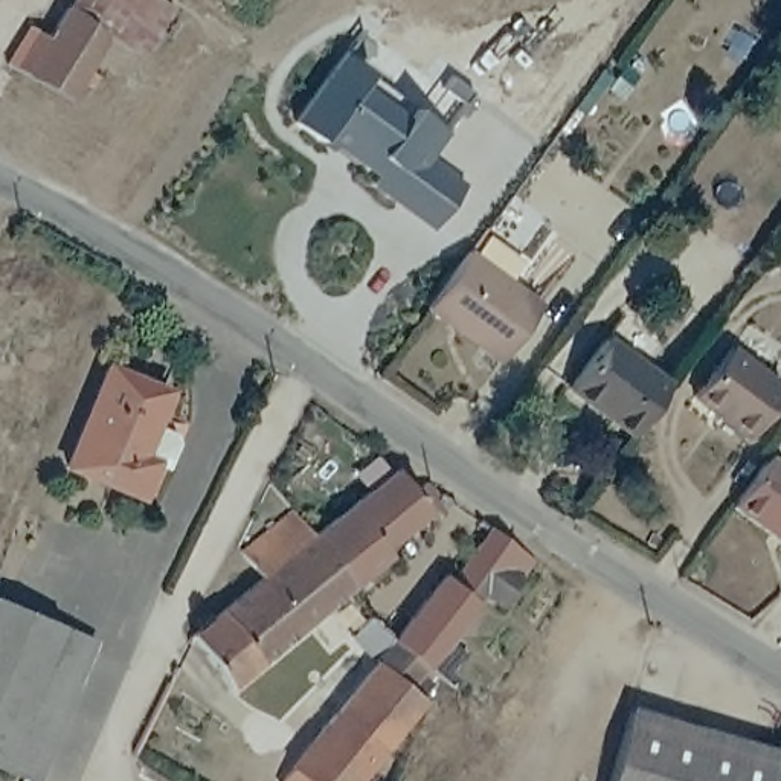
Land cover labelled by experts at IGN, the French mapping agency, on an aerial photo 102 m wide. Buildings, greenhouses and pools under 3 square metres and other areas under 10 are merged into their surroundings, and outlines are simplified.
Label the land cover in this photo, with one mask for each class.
<instances>
[{"label":"herbaceous vegetation","instance_id":"1","mask_svg":"<svg viewBox=\"0 0 781 781\"><path fill-rule=\"evenodd\" d=\"M558 3L567 0H278L275 15L262 27H253L235 21L226 9L207 6L204 0H168L165 6L171 18L165 21V40L156 58H149L146 52L128 58L116 73L104 79H82L70 88L64 101L34 88V82H24L21 76L9 79L0 95V149H6L12 159L24 165L40 168L52 180L79 189L85 198L104 204L122 220L143 226V214L153 207L162 186L186 168L192 153L207 156L214 143L232 140V128L226 122H217V110L226 101L229 82L235 76L256 79L259 73H265L268 79L284 52H290L302 37L345 15L354 6H378L391 18L412 15L418 24L430 21L445 31H470L488 21L506 24L509 12H537L540 18L555 15ZM732 31L757 40V46L741 64H735L723 49ZM781 37V0H671L641 40L635 67L638 82H632V98H625L622 104L613 92L598 98L589 110H580L583 125L570 134L561 146L564 156L570 159L574 171L589 174L595 183H601V189L610 192L613 183H625L628 192H635L644 183V168L668 171L677 162L680 149L665 143L662 137V110L674 101H686L696 116L720 113L723 104L741 95H760V79L754 76V70L772 67L778 61ZM366 34L351 27L333 37L320 58L305 55L296 61L284 85L281 116L287 125L299 122L296 116L314 98L326 73L339 64L348 46H354ZM580 46L574 34H561L558 27H552L543 46L534 52V58L543 67H558L567 49ZM693 180L711 217L708 229L714 238L735 244L741 256L747 262H757L772 232L781 226V128L760 134L747 125L744 116L729 119V128L696 165ZM305 201V195H299L284 174L268 177L265 168H256L253 174L250 168H241L232 156L220 159L217 168L198 171L195 192L180 195V211H171V220L195 238L198 250L217 256L214 275L226 284L244 278L247 284H262L278 272V223ZM31 214L15 211L12 198L0 195V567L6 564L12 543H31L34 534L43 531L52 543L61 531L58 522L64 516L67 506H76L82 500H104L107 491L95 482H85V488L70 491L61 500L52 497L43 482L64 476L67 470L73 464V452L79 445V436L85 430V421L92 415V406L101 394L107 372L104 363H92V351L104 348L116 336V329H128L122 317L125 305L113 290L92 284L85 272L55 265L49 275H43L34 262L15 256L12 235H18ZM781 342V302L754 314V326ZM506 336L497 339L491 351L476 348V342L464 336L445 342V326L433 317L430 326L412 339V348L400 360V369L409 378L418 369H424L439 384L464 381L470 387H494V378L503 375V369L516 360L503 348ZM128 369L159 378L165 384V394H180L168 427L177 430L180 424H186L189 430L198 421L201 378L192 372L189 384L177 387L159 363L131 360ZM360 430L336 415L311 418L299 452L302 470L293 479L275 485L268 476L262 479L250 503V513L244 516L232 546L226 549V558L214 577L217 592H195L189 598L186 635H201L226 607H232L259 583V574L250 570L253 561L247 549L272 531V525L302 513V519L314 528L333 494H339L351 482H360L363 470L357 467V458L369 452V445L354 439ZM741 461V448L732 452L723 439L702 442L699 455L686 467L689 482L702 494H711L717 482H723V476L732 479ZM595 503L616 525L635 531L638 537L674 525V513L668 509L659 519L641 522L628 513V506L613 488H604ZM683 580L708 592L711 598L723 601L741 616H760L781 598V537L775 534L766 540V534L757 525L744 522L735 509L723 519V525L699 552L693 570ZM534 546L531 570L540 574V583L522 586L509 598H497L494 607L482 616L479 635L464 641L467 662L458 668L464 674L458 680V689H452L445 699L439 696L436 708L424 711V717L400 744V750L409 757L403 781H500L513 763L506 760V750L497 744L500 711L509 699L522 705H537L552 699V677L558 671L549 665V632L564 601L583 598L586 583L583 574L574 570L564 558L546 552L537 540H528ZM333 665L326 650L314 641L299 647L290 659H284L244 693V699L253 708L281 717L293 702H299L308 693L311 671H326ZM153 732H159V747L211 781H281L278 766L284 754H256L235 723H229L217 711H207L201 717L192 714V708L180 696L171 699V705L162 702L149 723Z\"/></svg>","mask_w":781,"mask_h":781},{"label":"impervious surface","instance_id":"2","mask_svg":"<svg viewBox=\"0 0 781 781\"><path fill-rule=\"evenodd\" d=\"M418 24L412 15L391 18L378 6H354L345 15L302 37L290 52H284L268 79L265 119L272 131L281 140H287L299 156L314 162V183L305 195V201L278 223V272L284 281V293L299 311L296 317H278V323L272 326L262 314L244 308L232 296L183 268L177 259L159 253L153 244L95 217L88 207L0 168V195L12 198L15 211L31 214L55 223L79 241H88L101 253L119 256L122 268L137 281L162 284L168 305L183 317L189 329H201V336L211 345L207 363L214 375L201 378L198 421L189 430L180 464L177 470H168L153 503L165 516V525L159 531L131 528L128 534H119L113 519L101 522L98 528H88L79 519L64 516L58 522L61 531L52 543L43 531L34 534L31 543H12L6 564L0 567V601L21 604L73 632L95 635L98 641H104L101 665L73 714V726L58 754L61 781H82L104 720L137 650L146 616L162 592L165 570L235 433L232 406L241 391V375L247 363L262 360L265 366H275V381L299 378L308 384L311 400L326 403L336 415L360 430H378L387 439L391 452L406 455L418 476H430L424 497H433L436 509L445 516L430 546H418L415 555L397 549V561L378 574L369 592L357 595V607L329 613L323 622L314 625V641L326 650L333 665L326 671H311L308 693L299 702H293L281 717L296 732L284 754L278 766L281 781H287L296 772L302 754L342 711L354 689L366 680V674L384 665L381 653L363 656L354 628L360 625V619H375L387 625L394 635H400L430 601V595L442 586V580H458L467 561H476V543H485L491 534H503L506 540H513L519 534L522 540H537L546 552L564 558L574 570L583 574L586 583H598L613 595L625 598L628 604H638L644 610V628H674L677 635L693 638L705 650L723 656L729 665L750 674L754 683L781 693V656L763 647L760 641L741 635L738 628L726 625L723 619L711 616L708 610L665 592L662 583H644L638 570L625 567L613 555L589 552V543H598L604 534L586 519L555 513L540 497V482L549 473L564 476L570 482H577L580 476L577 464L558 461H534L528 470L513 473L485 452V445L494 442L497 424L516 409L519 400L534 394L537 384L552 391L555 400L567 397V403L592 412L595 400L580 397L574 391V381L586 372L592 357L616 329L635 348L656 354L662 369L674 375L680 360L708 329V323L720 314V308L711 305V299L732 278L741 256L735 244L714 238L708 229L693 232L686 250L677 256L674 265L647 253L635 262L632 272L619 268L610 278V284L589 308V326L574 342H561V348L543 372H537L528 360H516L503 369V375L494 378V387H470L461 400H452L448 409L433 412L394 381L381 378L375 369L363 366L369 320L397 284H403L415 268L436 259L445 247L458 244L479 226V220L488 214V207L497 201L503 186L516 177L519 165L540 140L528 134L516 119H509L503 110L476 95L473 116L455 122L452 140L442 149V159L461 168L467 180V195L458 214L436 229L400 204L391 211L378 207L351 177L348 165V156L333 149V140L326 134L299 122L287 125L281 116L284 85L296 61L305 55L320 58L333 37L351 27L366 34V58L378 73L397 79L406 116H418V110L427 101H433V107L445 113L455 104V92H448L445 85L455 79L458 70L439 55L430 67H424L415 58L403 70V58L391 46L406 27ZM333 214L354 217L372 238V259L366 262L357 287L345 296H326L308 278L305 268L311 229L317 220ZM677 275L689 290V305L680 311V317L650 333L638 311L653 299L656 287L671 284ZM696 131V116L686 101H674L662 110V137L665 143L680 149ZM628 207L622 204V198L610 192L601 189V183H595L589 174L574 171L570 159L564 156L540 162L537 174L528 183V195L509 201V207L491 229V241L482 250L485 259L503 268L509 278H528L534 284L543 281V299L549 302L561 290L577 293L592 278L598 262L607 256V250L622 238L616 217ZM741 342L750 345L760 357L772 360L781 378V342L754 326L741 336Z\"/></svg>","mask_w":781,"mask_h":781},{"label":"building","instance_id":"3","mask_svg":"<svg viewBox=\"0 0 781 781\"><path fill-rule=\"evenodd\" d=\"M168 0H76L52 34L40 31V15L24 18L3 52V70L9 79L21 76L24 82H34V88L64 101L70 88L82 79H104L116 73L128 58L146 52L149 58H156L165 40V21L171 18L165 6ZM757 46V40L732 31L723 49L735 64H741ZM448 92H455V104L445 113L433 107V101H427L418 110V116H406L397 79L378 73L366 58V34L354 46H348L339 64L326 73L314 98L296 116L299 122L326 134L333 140V149L348 156V165H366L372 171V180H378L391 195H397L400 204L436 229L458 214L467 195V180L461 168L442 159V149L452 140L455 122L473 116L476 95L473 79L458 70L455 79L445 85ZM632 82H638L635 67H613L610 55L595 64L589 79L564 104L555 122L564 125V134H570L583 125L580 110H589L598 98L613 92L622 104L625 98H632ZM543 281L534 284L528 278H509L503 268L485 259L482 250H473L461 262L452 284L436 299L430 311L433 317L445 326V342L464 336L476 342V348L491 351L497 339L506 336L503 348L516 360H528L552 326L549 302L543 299ZM680 384L674 381V375L662 369L656 354L635 348L616 329L592 357L586 372L574 381V391L580 397L595 400L592 412L604 418L610 430H619V442L632 436L638 427H653L668 412L671 397ZM696 412L708 415V421L723 418V424L735 430V442L741 448L757 442L760 448H766V455L775 452V461L763 467L757 485L735 506V509L744 522L757 525L766 534V540L775 534L781 537V378L772 360L760 357L750 345L741 342L735 345V354L726 360L723 378L705 384L696 400ZM180 394H165V384L159 378L128 369L107 372L101 394L92 406V415L85 421V430L79 436V445L73 452V464L67 470L82 476L85 482H95L107 491H122L128 497L153 503L168 470H177L180 464L189 430L186 424H180L177 430L168 427ZM360 482L366 485V497L354 503L345 516H339L326 531L314 528L302 519V513L272 525V531L247 549L253 561L250 570L259 574V583L232 607H226L201 635H195L192 653L201 662H207L214 674H223L226 683L238 677V686L244 693L284 659H290L299 647L314 641V625L323 622L329 613L357 607V595L369 592L378 574L397 561V549L415 555L418 546H430L445 516L436 509L433 497H424L430 476H418L406 455L391 452L387 461H375L363 470ZM534 546L528 540H522L519 534L513 540H506L503 534H491L485 543H476V561H467L458 580H442V586L430 595V601L400 635H394L387 625L375 619H360V625L354 628L363 656L381 653L384 665L366 674V680L354 689L342 711L302 754L296 772L287 781H403L409 757L400 750V744L424 717V711L436 708L439 696L445 699L452 689H458V680L464 674L458 668L467 662L464 641L479 635L482 616L494 607L497 598H509L522 586L540 583V574L531 570ZM104 641H98L95 635L73 632L21 604L0 601V781H61L58 754L73 726V714L101 665ZM619 781H781V747L735 738L653 711H638L625 738Z\"/></svg>","mask_w":781,"mask_h":781},{"label":"pervious surface","instance_id":"4","mask_svg":"<svg viewBox=\"0 0 781 781\"><path fill-rule=\"evenodd\" d=\"M52 0H0V95L9 79L3 70V52L24 18L40 15H46ZM647 6V0H567L558 3L555 15L540 18L537 12H509L506 24L488 21L470 31H445L430 21L406 27L391 46L403 58V70L415 58L424 67H430L439 55L458 70L473 79L476 95L503 110L509 119H516L528 134L540 140L543 134H549L564 104L589 79L595 64L610 55L625 27ZM552 27H558L561 34H574L580 46L567 49L558 67H543L534 58V52L543 46ZM0 168L88 207L95 217L153 244L159 253L177 259L183 268L232 296L226 284L214 275L195 268L189 259L180 256V250L153 241L143 226L122 220L104 204L85 198L79 189L52 180L40 168L24 165L12 159L6 149H0ZM781 302V265L766 272L738 299L726 320L729 336L696 369L693 384H680L671 397L668 412L653 427H638L632 436L638 442V455L650 467V476L659 482L668 509L674 513V525L677 540L659 561L604 534L598 543H589V552L613 555L625 567L638 570L644 583H662L665 592L708 610L711 616L723 619L726 625L738 628L741 635L760 641L763 647L781 656V598L760 616H741L723 601L711 598L708 592L683 580L677 567L696 543L699 531L705 528V522L711 519V513L720 506L723 497H729L735 506L757 485L763 467L775 461V452L766 455V448H760L757 442L741 448L735 442V430L723 424V418L708 421V415L696 412V400L705 384L723 378L726 360L735 354V345L741 342V336L754 326V314ZM723 439L732 452L741 448V461L732 479L723 476V482H717L711 494H702L689 482L686 467L699 455L702 442ZM311 400L308 384L299 378L275 381L265 409L259 412V424L244 439V448L226 476V485L177 577V586L171 592H162L146 616L137 650L104 720L82 781H131V772L140 766L143 750L159 747V732H153L149 723L162 702L171 705V699L180 696L192 708V714L201 717L207 711H217L229 723H235L256 754H284L296 732L281 717L253 708L244 699V693L238 686V677L226 683L223 674H214L207 662H201L192 653L195 635H186L189 598L195 592H217L214 577L226 558V549L232 546L244 516L250 513V503L262 479L268 476V464L284 448L302 406ZM644 610L638 604H628L625 598L613 595L598 583H586L583 598L564 601L549 632V665L558 671L552 677V699L537 705H522L509 699L500 711L497 744L506 750V760L513 763L500 781H619L625 738L638 711H653L735 738L781 747V693L754 683L750 674L729 665L723 656L705 650L693 638L677 635L674 628H644Z\"/></svg>","mask_w":781,"mask_h":781},{"label":"brushwood","instance_id":"5","mask_svg":"<svg viewBox=\"0 0 781 781\"><path fill-rule=\"evenodd\" d=\"M671 0H647V6L625 27L610 55L613 67H635L641 40ZM268 79L265 73H259L256 79L235 76L229 82L226 101L217 110V122H226L232 128V140L214 143L207 156L192 153L186 168L162 186L153 207L143 214V226L153 241L180 250V256L189 259L195 268L214 275L217 256L198 250L195 238L171 220V211H180V195L195 192L198 171L217 168L220 159L232 156L241 168H250L253 174L256 168H265L268 177L284 174L299 195H305L314 183V162L299 156L287 140H281L272 131L265 119ZM744 116L741 95L723 104L720 113L696 116V131L680 149L677 162L668 171L644 168V183L635 192H628L625 183H613L610 192L622 198V204L628 207L616 217L622 238L607 250V256L598 262L592 278L577 293L561 290L549 302L552 326L528 360L537 372H543L561 348V342H574L589 326V308L610 284V278L619 268L632 272L635 262L647 253V244L638 235L653 229L659 217H711L693 180L696 165L729 128V119ZM570 134H564V125L555 122L549 134H543L540 140L519 165L516 177L503 186L497 201L488 207V214L479 220V226L458 244L445 247L436 259L415 268L403 284H397L369 320L363 366L375 369L381 378L394 381L433 412L448 409L452 400H461L470 387L464 381L439 384L424 369H418L409 378L400 369V360L412 348V339L430 326L433 317L430 311L436 299L452 284L461 262L473 250H482L491 241V229L509 207V201L528 195V183L537 174L540 162L564 156L561 146ZM351 177L378 207L391 211L400 204L397 195H391L378 180H372V171L366 165H348ZM372 259V238L354 217L333 214L317 220L311 229L305 268L308 278L326 296H345L357 287L366 262ZM781 265V226L772 232L757 262H747L741 256L732 278L711 299V305L720 308V314L708 323V329L680 360L674 375V381L680 384H693L696 369L729 336L726 320L738 299L766 272ZM232 296L244 308L262 314L272 326L278 323V317H296L299 311L284 293V281L278 272L262 284H247L244 278L226 284ZM336 415L326 403L311 400L302 406L284 448L268 464V476L275 485L293 479L302 470L299 452L311 418ZM354 439L369 445V452L357 458V467L363 470L375 461H387L391 452L387 439L378 430H360ZM244 448V439L241 433H235L165 570L162 592H171L177 586V577L226 485V476ZM613 473L601 479L580 476L577 482H570L564 476L549 473L540 482V497L555 513L586 519L604 534L659 561L677 540L674 525L638 537L635 531L616 525L595 503L604 488H613ZM366 497V485L360 482H351L339 494H333L314 528L326 531L339 516H345L354 503ZM735 509V506L729 497H723L720 506L711 513V519L705 522V528L699 531L696 543L677 567L683 580L693 570L699 552L723 525V519ZM131 781H211L159 747L143 750L140 766L131 772Z\"/></svg>","mask_w":781,"mask_h":781},{"label":"deciduous trees","instance_id":"6","mask_svg":"<svg viewBox=\"0 0 781 781\"><path fill-rule=\"evenodd\" d=\"M754 76L760 79V95H741L744 116L747 125L760 134L781 128V37L778 61L772 67L754 70ZM15 256L34 262L43 275H49L55 265L85 272L92 284L113 290L125 305L122 317L128 329H116V336L104 348L92 351V363H104L107 372L128 369L131 360L159 363L177 387L189 384L192 372L201 378L214 375L207 363L211 345L201 336V329H189L183 317L168 305L162 284L137 281L122 268L119 256L101 253L88 241H79L55 223L31 214L18 235H12ZM711 217H659L653 229L638 235L647 244V253L674 265L677 256L686 250L693 232L708 229ZM689 305V290L677 275L671 284L656 287L653 299L638 311L650 333L680 317V311ZM275 381V366H265L262 360L247 363L241 375V391L232 406L235 433H241L244 439L259 424V412L265 409ZM485 452L513 473L528 470L534 461H558L577 464L580 476L601 479L613 473V488L628 506V513L641 522L659 519L668 509L659 482L650 476V467L638 455V442L632 436L619 442V430H610L604 418L592 412L567 403V397L555 400L552 391L537 384L534 394L519 400L516 409L497 424L494 442L485 445ZM52 497L61 500L70 491L85 488V482L82 476L67 470L64 476L43 482ZM64 516L79 519L88 528H98L101 522L113 519L119 534H128L131 528L159 531L165 525V516L153 503L128 497L122 491H107L104 500H82L76 506H67Z\"/></svg>","mask_w":781,"mask_h":781},{"label":"agricultural land","instance_id":"7","mask_svg":"<svg viewBox=\"0 0 781 781\"><path fill-rule=\"evenodd\" d=\"M76 0H52L46 15H40V31L52 34ZM207 6L226 9L235 21L253 27H262L275 15L278 0H204Z\"/></svg>","mask_w":781,"mask_h":781}]
</instances>
